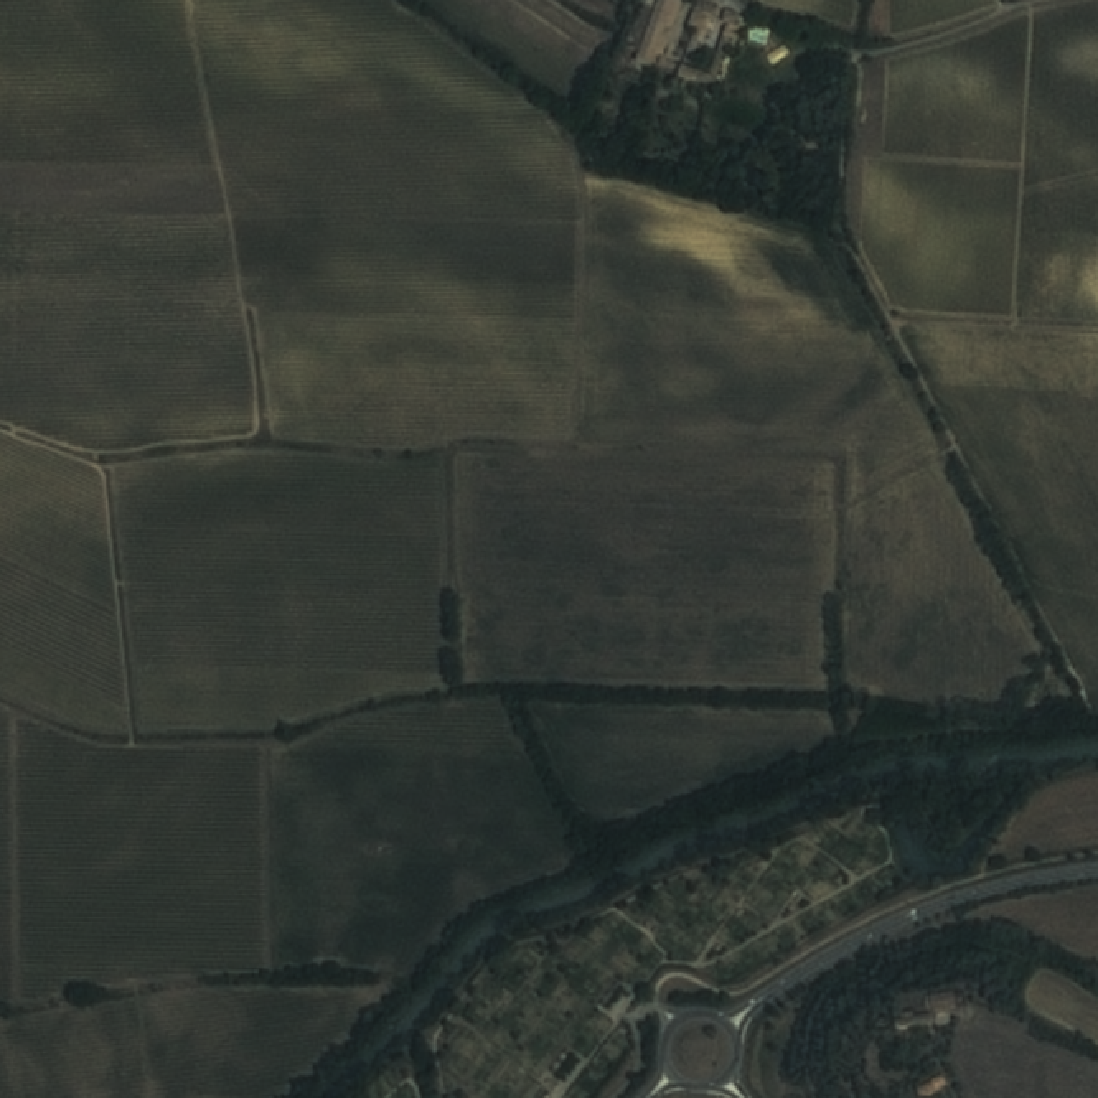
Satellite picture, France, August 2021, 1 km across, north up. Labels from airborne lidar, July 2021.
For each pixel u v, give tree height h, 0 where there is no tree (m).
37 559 0
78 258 0
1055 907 0
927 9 0
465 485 0
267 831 0
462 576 0
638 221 0
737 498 0
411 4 12
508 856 0
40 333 0
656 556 0
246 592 0
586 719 0
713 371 0
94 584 0
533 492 0
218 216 0
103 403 0
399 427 0
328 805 0
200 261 0
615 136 12
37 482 0
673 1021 0
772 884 0
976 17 0
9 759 0
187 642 0
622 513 0
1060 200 0
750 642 0
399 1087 6
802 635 0
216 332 0
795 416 0
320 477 0
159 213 0
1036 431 0
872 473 0
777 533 0
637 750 0
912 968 7
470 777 0
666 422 0
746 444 0
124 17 0
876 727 6
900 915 0
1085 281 0
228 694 0
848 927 0
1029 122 0
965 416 0
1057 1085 0
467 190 0
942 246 0
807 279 0
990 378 0
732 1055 0
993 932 16
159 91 0
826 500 0
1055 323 0
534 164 0
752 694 10
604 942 0
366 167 0
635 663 0
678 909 0
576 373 0
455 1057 0
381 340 0
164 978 0
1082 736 15
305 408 0
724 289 0
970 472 21
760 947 0
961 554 0
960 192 0
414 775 0
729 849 23
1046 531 0
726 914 0
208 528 0
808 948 0
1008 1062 0
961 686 0
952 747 16
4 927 0
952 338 0
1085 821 0
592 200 0
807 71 16
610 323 0
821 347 0
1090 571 0
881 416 0
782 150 17
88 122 0
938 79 0
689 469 0
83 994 19
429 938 0
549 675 0
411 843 0
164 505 0
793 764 13
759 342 0
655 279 0
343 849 0
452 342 0
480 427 0
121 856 0
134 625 0
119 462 0
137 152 0
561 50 0
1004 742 11
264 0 0
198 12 0
